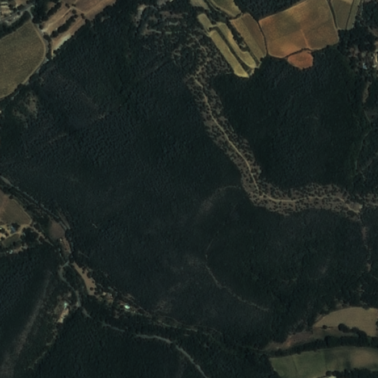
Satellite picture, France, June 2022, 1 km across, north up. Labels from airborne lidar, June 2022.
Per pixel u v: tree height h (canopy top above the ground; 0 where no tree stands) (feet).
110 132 37
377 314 0
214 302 22
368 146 24
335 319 0
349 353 0
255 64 0
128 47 24
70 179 19
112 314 21
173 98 21
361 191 34
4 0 25
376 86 27
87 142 50
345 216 33
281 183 27
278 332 48
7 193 28
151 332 46
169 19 42
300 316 25
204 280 33
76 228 25
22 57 0
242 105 29
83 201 27
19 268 60
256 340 48
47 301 20
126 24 38
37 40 0
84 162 43
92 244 33
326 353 0
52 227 0
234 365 32
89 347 37
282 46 0
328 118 26
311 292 37
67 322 44
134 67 47
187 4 29
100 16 41
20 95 28
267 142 30
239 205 21
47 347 44
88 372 25
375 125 34
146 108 36
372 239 20
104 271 27
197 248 18
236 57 0
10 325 20
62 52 30
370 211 36
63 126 39
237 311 21
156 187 32
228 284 23
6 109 30
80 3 0
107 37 34
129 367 32
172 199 23
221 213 18
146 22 45
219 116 29
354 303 56
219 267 27
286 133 24
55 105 36
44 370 32
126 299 24
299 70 36
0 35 74
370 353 0
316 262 21
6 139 32
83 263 30
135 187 19
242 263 33
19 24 24
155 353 19
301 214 18
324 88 28
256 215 24
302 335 0
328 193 20
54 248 25
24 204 25
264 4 49
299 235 21
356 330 65
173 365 26
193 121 21
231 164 17
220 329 24
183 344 53
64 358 42
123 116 51
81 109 36
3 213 0
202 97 24
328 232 33
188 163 22
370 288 41
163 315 18
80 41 36
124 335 24
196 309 30
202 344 32
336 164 28
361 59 28
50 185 25
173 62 27
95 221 26
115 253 32
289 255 27
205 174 30
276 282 41
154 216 22
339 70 34
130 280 22
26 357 33
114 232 56
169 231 22
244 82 37
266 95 53
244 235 22
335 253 19
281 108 35
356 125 46
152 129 30
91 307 35
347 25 0
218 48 30
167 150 43
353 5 0
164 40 25
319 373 0
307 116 17
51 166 22
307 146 21
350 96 54
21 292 45
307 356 0
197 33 38
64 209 37
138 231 20
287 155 26
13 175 24
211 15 42
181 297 19
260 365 30
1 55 0
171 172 20
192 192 33
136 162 26
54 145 39
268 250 21
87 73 34
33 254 45
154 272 26
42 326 36
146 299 24
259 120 28
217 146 18
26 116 29
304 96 23
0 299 41
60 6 37
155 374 29
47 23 0
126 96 27
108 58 54
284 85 17
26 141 35
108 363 33
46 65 51
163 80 31
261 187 22
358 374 40
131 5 32
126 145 42
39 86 33
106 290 43
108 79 41
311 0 0
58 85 31
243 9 49
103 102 34
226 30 0
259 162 33
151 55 46
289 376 0
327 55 37
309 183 26
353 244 27
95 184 23
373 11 48
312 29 0
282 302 68
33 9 22
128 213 18
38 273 25
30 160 29
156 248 23
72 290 34
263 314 22
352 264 26
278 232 23
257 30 0
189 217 19
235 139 27
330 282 49
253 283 33
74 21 31
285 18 0
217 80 28
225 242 18
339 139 26
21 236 25
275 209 24
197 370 28
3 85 0
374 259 41
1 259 34
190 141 44
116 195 21
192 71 33
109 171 19
